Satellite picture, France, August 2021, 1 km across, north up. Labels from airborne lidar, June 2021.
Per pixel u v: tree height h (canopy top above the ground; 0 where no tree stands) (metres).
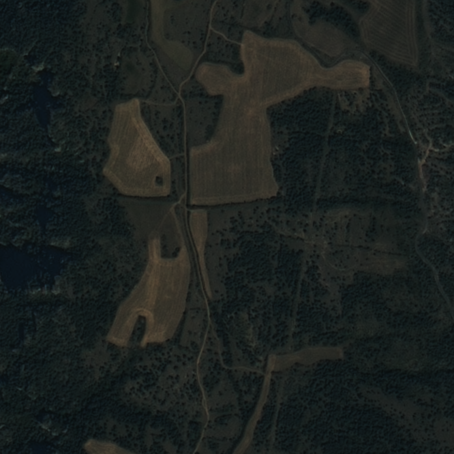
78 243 6
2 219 8
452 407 6
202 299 0
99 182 11
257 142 0
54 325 9
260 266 8
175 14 0
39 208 9
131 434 6
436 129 6
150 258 0
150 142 0
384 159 8
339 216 0
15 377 12
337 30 0
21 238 7
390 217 0
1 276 7
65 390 8
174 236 0
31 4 12
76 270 7
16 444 11
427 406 7
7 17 10
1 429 10
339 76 0
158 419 10
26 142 11
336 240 0
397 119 0
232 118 0
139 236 0
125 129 0
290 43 0
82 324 9
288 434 8
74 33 8
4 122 12
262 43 0
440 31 7
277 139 0
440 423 0
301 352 0
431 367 7
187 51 0
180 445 8
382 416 8
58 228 7
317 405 6
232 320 11
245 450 0
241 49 0
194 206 6
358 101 0
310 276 7
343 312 7
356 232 0
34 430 12
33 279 7
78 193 11
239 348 6
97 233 6
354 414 7
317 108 7
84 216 8
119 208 10
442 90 7
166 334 0
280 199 9
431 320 5
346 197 8
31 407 10
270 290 0
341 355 0
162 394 0
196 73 0
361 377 7
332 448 9
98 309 10
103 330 6
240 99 0
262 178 0
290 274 9
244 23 0
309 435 5
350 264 0
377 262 0
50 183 5
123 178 0
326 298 0
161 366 6
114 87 8
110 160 0
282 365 0
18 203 8
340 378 6
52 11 13
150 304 0
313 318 9
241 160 0
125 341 0
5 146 7
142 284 0
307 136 8
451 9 7
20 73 13
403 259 0
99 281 7
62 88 6
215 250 0
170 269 0
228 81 0
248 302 8
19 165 12
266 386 0
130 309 0
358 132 7
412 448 8
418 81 8
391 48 0
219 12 0
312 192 7
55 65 7
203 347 0
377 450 7
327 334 8
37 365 9
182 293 0
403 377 8
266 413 7
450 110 6
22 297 6
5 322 7
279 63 0
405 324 7
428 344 6
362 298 7
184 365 8
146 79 0
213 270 0
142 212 0
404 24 0
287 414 7
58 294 6
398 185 6
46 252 10
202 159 0
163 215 0
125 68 0
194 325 0
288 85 0
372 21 0
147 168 0
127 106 0
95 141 6
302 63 0
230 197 0
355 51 0
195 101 0
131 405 7
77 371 9
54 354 8
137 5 0
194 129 0
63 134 7
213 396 0
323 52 0
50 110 45
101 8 0
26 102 18
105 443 0
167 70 0
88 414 10
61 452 7
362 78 0
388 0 0
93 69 0
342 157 0
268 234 6
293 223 0
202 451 0
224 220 0
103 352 0
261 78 0
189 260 0
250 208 0
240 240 6
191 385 6
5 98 7
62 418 10
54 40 7
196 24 0
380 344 6
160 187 0
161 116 0
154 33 0
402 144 6
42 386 7
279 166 8
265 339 8
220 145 0
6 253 23
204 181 0
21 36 8
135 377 7
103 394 13
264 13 0
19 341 10
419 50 0
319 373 7
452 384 6
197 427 10
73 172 8
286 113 7
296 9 0
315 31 0
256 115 0
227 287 7
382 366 9
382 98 7
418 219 0
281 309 10
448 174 7
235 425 0
